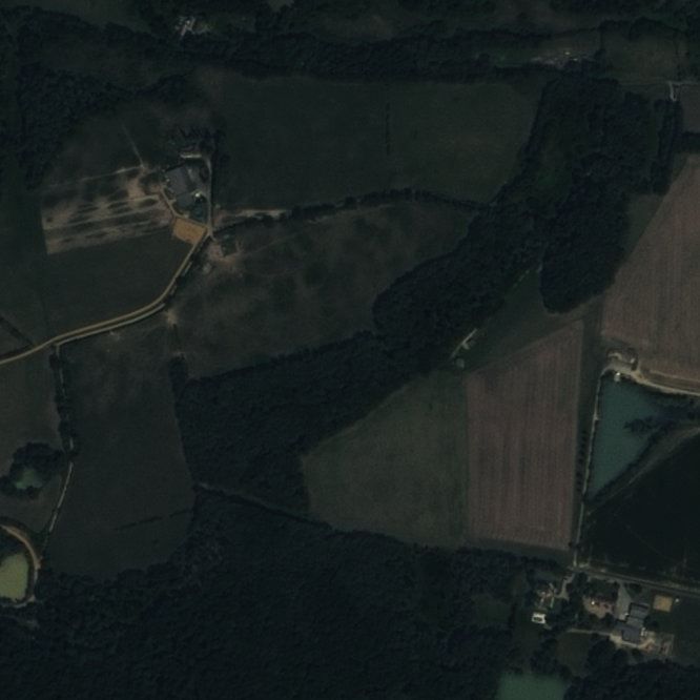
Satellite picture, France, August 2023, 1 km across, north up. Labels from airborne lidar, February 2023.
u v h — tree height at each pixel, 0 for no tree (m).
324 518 0
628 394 0
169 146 0
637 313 0
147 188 0
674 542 0
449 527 0
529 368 0
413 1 23
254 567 20
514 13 0
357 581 29
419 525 0
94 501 0
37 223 0
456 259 17
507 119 0
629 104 20
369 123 0
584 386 0
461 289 27
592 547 0
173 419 0
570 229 27
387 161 0
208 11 20
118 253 0
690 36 13
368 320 0
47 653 23
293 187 0
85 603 9
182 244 0
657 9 10
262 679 22
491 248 28
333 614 24
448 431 0
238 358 0
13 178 0
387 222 0
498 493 0
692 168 0
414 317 26
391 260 0
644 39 0
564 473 0
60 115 27
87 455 0
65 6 0
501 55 0
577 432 0
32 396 0
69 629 25
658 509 0
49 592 20
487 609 0
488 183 0
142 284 0
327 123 0
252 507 18
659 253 0
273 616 21
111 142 0
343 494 0
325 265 0
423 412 0
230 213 0
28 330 0
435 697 11
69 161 0
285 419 25
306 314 0
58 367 12
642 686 28
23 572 0
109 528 0
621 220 18
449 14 8
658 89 0
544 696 0
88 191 0
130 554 0
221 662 23
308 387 24
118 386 0
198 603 24
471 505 0
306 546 18
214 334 0
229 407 17
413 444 0
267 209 0
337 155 0
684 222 0
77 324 0
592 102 25
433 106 0
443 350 24
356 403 19
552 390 0
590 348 0
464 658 24
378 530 0
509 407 0
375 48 9
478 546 0
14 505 0
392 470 0
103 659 15
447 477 0
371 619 28
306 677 18
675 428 7
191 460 15
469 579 25
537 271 0
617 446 0
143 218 0
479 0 12
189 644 22
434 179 0
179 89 18
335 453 0
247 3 23
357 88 0
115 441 0
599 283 26
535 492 0
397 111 0
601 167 21
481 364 0
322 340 0
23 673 23
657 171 15
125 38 20
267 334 0
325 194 0
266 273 0
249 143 0
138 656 17
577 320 0
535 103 0
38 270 0
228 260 0
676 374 0
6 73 22
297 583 26
